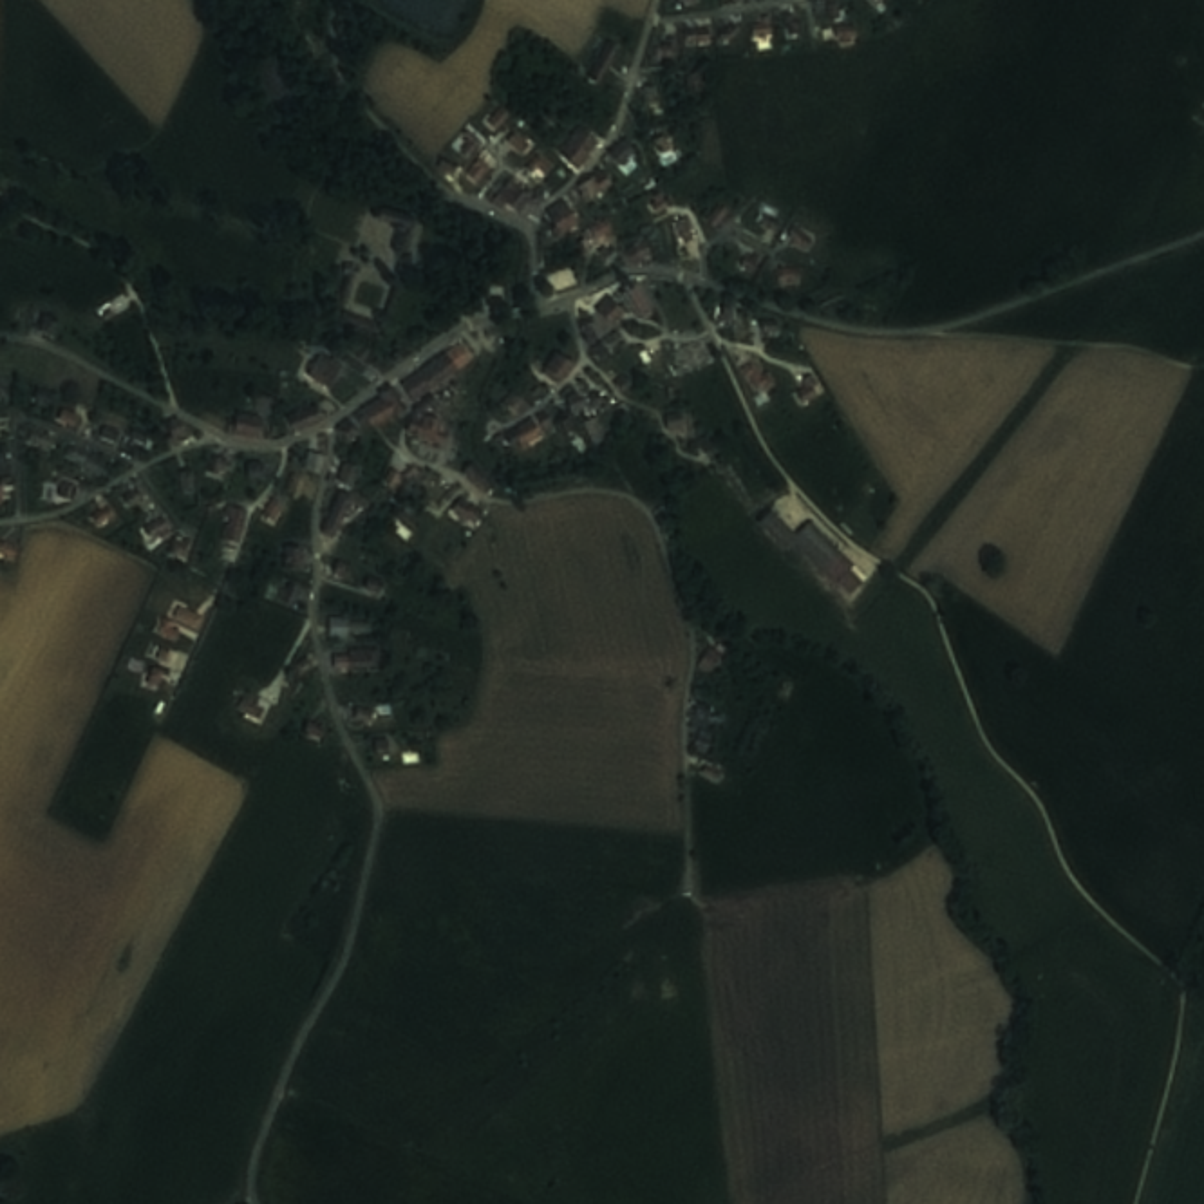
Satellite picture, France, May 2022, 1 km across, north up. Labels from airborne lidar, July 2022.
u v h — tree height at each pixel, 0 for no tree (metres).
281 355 0
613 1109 0
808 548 0
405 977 0
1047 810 0
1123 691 0
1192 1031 0
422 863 0
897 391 0
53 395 6
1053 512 0
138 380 7
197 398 0
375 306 0
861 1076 0
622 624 0
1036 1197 17
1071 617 0
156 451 6
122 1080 0
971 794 0
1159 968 0
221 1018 0
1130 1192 0
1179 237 0
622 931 0
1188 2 0
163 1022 0
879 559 0
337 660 0
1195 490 0
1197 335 0
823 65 0
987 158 0
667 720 0
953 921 14
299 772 0
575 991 0
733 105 0
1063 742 0
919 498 0
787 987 0
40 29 0
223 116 0
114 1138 0
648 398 8
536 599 0
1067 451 0
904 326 0
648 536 0
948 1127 0
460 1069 0
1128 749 0
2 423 0
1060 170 0
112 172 15
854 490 0
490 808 0
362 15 20
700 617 13
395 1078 0
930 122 0
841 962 0
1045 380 0
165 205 30
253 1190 0
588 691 0
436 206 28
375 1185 0
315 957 0
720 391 0
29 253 0
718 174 0
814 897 0
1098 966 0
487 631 0
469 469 0
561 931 0
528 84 7
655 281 0
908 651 0
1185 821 0
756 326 0
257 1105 0
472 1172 0
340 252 0
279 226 35
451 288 21
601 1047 0
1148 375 0
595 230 0
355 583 0
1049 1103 0
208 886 0
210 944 0
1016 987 13
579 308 0
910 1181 0
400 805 0
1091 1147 0
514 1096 0
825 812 0
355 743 0
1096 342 0
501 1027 0
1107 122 0
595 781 0
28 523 0
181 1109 0
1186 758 0
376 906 0
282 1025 0
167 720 0
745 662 7
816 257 0
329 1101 0
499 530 0
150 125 0
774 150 0
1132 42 0
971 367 0
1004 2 0
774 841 0
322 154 13
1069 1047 0
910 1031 0
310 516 0
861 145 0
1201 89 0
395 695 8
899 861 0
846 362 0
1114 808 0
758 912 0
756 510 0
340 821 0
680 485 18
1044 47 0
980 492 0
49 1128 0
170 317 22
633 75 0
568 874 0
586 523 0
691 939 0
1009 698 0
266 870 0
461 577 0
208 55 0
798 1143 0
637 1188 0
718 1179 0
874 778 0
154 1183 0
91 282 0
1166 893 0
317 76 26
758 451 7
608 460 9
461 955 0
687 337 0
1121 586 0
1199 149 0
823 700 0
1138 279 0
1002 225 0
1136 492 0
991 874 0
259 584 10
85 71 0
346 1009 0
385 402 0
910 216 0
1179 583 0
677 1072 0
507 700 0
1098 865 0
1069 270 20
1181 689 0
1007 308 0
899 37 0
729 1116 0
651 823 0
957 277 0
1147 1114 0
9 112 0
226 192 0
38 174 27
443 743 0
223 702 0
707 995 0
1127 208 0
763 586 0
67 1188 0
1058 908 0
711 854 0
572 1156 0
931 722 0
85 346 8
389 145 14
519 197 0
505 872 0
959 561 0
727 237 0
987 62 0
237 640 0
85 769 0
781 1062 0
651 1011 0
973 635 0
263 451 0
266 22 29
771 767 0
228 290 0
